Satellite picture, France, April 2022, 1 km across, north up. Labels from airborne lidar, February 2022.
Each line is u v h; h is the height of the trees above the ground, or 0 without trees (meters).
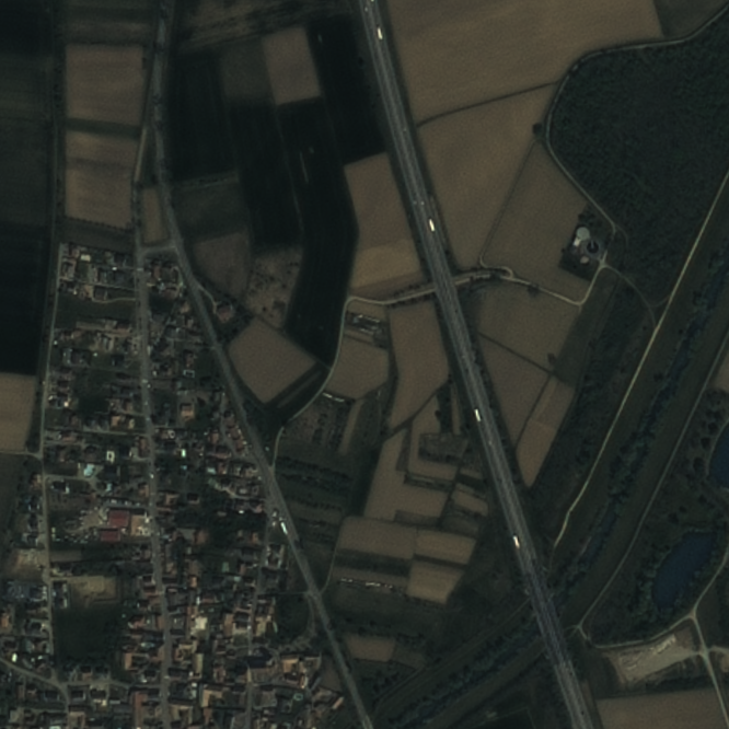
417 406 0
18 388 0
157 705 0
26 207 0
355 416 0
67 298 0
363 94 0
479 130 0
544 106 0
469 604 0
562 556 0
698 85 10
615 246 14
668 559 0
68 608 0
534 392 0
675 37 0
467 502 0
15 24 0
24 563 0
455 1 0
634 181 14
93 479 0
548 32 0
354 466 0
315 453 0
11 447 0
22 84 0
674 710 0
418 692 0
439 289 0
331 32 0
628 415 0
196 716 0
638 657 0
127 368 0
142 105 0
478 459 0
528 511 0
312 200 0
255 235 0
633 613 16
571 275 0
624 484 18
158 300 0
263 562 0
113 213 0
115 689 0
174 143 0
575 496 0
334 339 0
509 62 0
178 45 0
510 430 0
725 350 0
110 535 0
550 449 0
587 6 0
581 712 0
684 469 11
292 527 0
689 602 10
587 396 9
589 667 0
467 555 0
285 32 0
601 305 0
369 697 0
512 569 0
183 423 0
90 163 0
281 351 0
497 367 0
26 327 0
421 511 0
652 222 10
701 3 0
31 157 0
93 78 0
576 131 17
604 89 17
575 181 0
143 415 0
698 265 0
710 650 0
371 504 0
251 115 0
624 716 0
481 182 0
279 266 0
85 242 0
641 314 0
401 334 0
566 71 0
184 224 0
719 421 18
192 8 0
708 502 17
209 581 0
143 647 0
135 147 0
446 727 0
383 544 0
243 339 0
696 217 10
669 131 18
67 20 0
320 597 0
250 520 9
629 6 0
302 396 0
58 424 0
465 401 0
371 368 0
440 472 0
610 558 0
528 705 0
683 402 0
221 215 0
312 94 0
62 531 0
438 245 0
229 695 0
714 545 6
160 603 0
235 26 0
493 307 0
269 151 0
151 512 0
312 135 0
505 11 0
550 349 0
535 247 0
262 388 0
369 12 0
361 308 0
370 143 0
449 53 0
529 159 0
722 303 0
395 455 0
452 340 0
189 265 0
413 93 0
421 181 0
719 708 0
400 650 0
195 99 0
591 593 0
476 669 7
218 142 0
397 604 0
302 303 0
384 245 0
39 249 0
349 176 0
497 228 0
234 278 0
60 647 0
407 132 0
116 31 0
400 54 0
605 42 0
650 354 0
